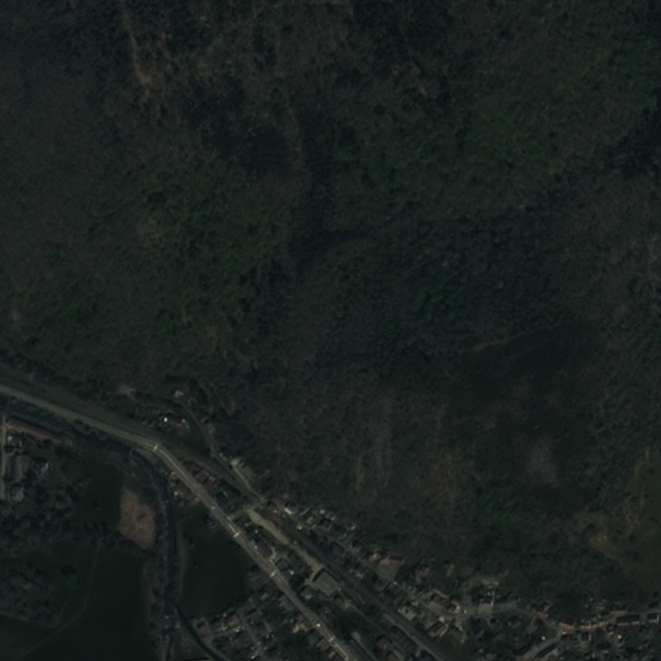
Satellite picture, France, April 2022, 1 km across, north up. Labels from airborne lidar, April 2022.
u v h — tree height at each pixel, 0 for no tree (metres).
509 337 0
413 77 22
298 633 0
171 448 0
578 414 10
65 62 24
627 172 24
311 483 19
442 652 0
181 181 15
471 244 16
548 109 19
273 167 21
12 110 14
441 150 16
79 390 8
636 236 22
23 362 25
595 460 22
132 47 17
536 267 9
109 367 11
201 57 24
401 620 0
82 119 25
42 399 0
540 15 21
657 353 12
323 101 25
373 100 23
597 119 20
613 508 15
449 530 24
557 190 10
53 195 20
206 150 22
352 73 19
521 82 11
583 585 18
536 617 0
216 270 21
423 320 15
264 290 25
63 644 0
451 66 17
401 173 15
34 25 30
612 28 15
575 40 19
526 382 0
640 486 0
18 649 0
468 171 18
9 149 19
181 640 0
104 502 0
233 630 0
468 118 12
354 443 14
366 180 20
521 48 14
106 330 24
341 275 11
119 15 23
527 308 12
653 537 0
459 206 12
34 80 19
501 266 16
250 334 17
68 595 0
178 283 25
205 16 24
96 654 0
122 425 0
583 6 22
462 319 14
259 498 0
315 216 21
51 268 22
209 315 22
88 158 24
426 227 20
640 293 18
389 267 13
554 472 0
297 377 15
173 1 20
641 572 0
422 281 19
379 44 22
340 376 16
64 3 30
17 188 23
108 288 23
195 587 0
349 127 20
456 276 11
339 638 7
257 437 13
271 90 18
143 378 9
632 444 9
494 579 0
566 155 19
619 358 15
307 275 19
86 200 24
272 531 0
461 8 7
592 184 16
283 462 6
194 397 13
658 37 21
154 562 17
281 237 19
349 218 20
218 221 29
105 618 0
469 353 0
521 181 18
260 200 18
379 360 10
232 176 21
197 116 24
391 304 15
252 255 16
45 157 22
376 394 0
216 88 26
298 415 16
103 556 0
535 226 19
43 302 19
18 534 16
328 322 19
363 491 10
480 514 27
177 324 14
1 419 0
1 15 27
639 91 22
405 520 22
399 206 23
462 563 0
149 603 0
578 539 16
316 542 15
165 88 20
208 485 0
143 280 27
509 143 19
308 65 12
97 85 22
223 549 0
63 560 7
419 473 21
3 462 0
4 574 0
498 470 8
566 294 8
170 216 22
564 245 7
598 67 7
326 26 22
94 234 23
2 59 21
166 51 20
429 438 14
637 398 9
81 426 16
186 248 17
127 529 0
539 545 6
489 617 0
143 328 16
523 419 7
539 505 9
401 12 8
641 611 0
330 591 0
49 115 18
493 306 17
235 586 0
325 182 22
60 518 23
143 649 0
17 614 7
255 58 21
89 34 25
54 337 17
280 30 22
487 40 24
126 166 28
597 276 17
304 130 23
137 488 0
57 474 25
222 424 13
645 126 28
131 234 22
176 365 9
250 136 18
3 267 11
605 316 14
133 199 19
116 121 15
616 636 0
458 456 7
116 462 0
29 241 20
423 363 9
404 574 6
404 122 16
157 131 24
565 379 6
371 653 0
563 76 19
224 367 13
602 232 23
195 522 0
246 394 15
